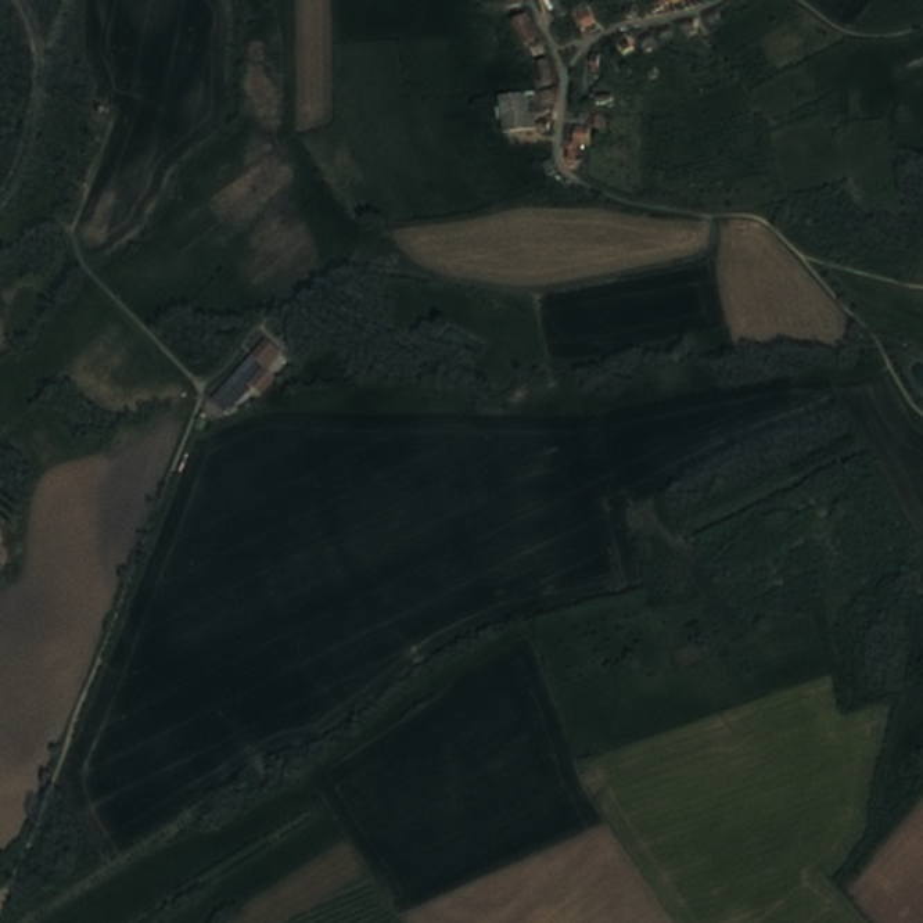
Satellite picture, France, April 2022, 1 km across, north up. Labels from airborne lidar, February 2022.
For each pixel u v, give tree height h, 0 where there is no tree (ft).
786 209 44
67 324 0
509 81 0
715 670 0
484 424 0
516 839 0
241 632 0
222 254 0
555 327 0
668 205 51
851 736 0
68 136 0
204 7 0
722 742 0
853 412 0
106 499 0
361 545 0
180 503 0
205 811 20
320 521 0
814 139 0
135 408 0
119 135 0
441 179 0
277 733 0
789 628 0
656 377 0
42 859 44
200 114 0
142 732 0
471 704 0
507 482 0
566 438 0
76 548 0
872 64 0
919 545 39
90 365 0
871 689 34
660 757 0
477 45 0
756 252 0
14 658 0
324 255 0
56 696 0
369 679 0
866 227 48
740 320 0
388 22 0
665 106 0
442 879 0
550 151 0
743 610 21
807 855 0
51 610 0
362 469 0
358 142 0
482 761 0
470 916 0
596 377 65
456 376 71
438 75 0
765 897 0
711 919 0
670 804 0
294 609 0
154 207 0
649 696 0
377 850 0
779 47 0
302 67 0
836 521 19
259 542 0
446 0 0
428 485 0
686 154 0
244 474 0
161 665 0
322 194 0
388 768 0
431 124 0
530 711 0
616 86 0
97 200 0
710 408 0
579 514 0
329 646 0
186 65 0
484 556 0
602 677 0
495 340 0
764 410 0
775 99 0
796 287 0
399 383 57
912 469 0
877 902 0
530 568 0
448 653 26
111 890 0
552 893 0
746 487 23
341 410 0
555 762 0
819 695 0
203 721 0
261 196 0
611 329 0
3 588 0
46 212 0
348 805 0
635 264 0
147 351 0
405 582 0
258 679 0
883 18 0
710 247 0
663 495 21
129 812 0
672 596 22
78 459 0
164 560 0
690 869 0
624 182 0
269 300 0
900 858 0
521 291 0
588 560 0
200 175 0
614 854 0
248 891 0
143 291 0
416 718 0
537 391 0
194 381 0
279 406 0
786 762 0
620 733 0
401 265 0
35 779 0
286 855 0
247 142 0
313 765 31
